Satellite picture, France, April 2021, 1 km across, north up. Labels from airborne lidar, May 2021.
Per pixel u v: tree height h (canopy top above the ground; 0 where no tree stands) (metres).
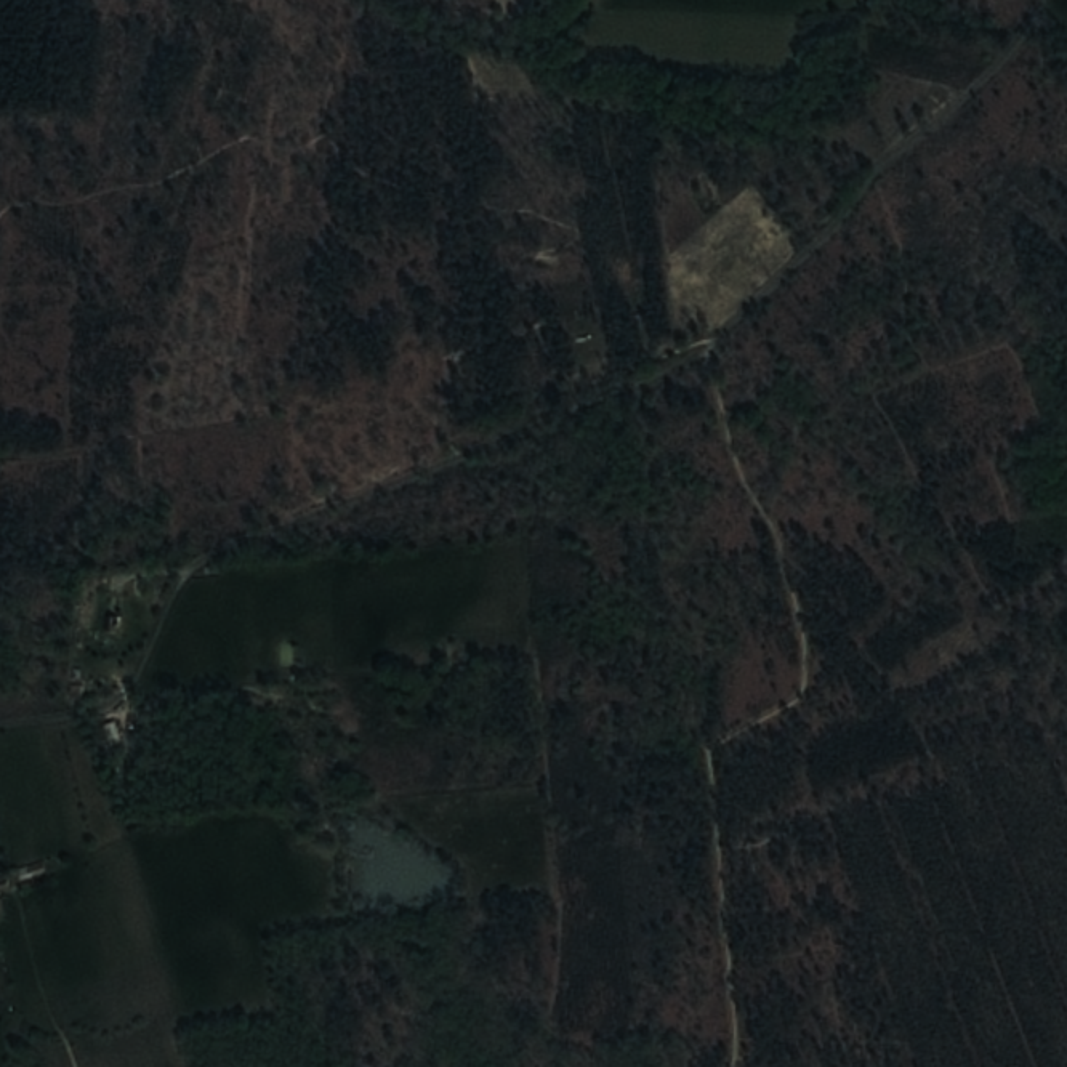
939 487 11
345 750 20
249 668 0
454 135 19
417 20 22
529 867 0
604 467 9
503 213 17
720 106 28
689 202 0
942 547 13
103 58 22
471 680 18
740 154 6
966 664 12
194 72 24
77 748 0
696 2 0
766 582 10
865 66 12
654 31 0
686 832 10
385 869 0
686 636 8
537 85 16
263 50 6
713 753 15
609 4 0
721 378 19
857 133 0
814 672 13
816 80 24
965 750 24
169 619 0
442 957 24
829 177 27
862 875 17
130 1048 0
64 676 0
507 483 12
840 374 6
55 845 0
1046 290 25
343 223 25
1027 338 7
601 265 10
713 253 0
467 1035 21
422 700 19
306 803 23
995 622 14
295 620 0
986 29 10
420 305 26
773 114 25
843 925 16
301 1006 17
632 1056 16
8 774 0
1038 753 22
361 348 25
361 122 22
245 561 20
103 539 11
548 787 16
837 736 13
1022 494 15
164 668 0
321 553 9
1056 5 0
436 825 0
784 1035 19
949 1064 16
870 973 23
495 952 24
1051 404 13
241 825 0
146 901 0
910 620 17
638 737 10
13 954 0
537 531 8
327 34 12
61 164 6
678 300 0
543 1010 11
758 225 0
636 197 14
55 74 17
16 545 18
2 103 16
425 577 0
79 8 24
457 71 22
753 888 22
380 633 0
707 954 11
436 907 14
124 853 0
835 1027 9
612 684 22
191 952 0
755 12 0
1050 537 8
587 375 10
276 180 12
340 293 25
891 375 14
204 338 0
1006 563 11
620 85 20
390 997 17
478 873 0
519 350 23
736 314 0
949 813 16
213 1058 16
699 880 25
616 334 13
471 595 0
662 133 20
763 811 15
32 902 0
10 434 16
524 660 20
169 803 21
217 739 21
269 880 0
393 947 19
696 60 0
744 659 7
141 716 20
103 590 8
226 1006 0
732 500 8
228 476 17
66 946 0
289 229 8
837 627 19
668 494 23
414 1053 10
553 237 6
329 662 0
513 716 23
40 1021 0
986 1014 17
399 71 20
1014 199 10
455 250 22
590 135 15
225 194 10
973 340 26
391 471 0
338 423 0
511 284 24
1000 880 17
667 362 10
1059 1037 16
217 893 0
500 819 0
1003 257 10
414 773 0
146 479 15
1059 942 16
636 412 21
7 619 17
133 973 0
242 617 0
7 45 17
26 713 0
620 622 15
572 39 21
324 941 17
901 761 12
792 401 14
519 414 18
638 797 12
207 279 0
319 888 0
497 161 21
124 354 7
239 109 18
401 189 26
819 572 16
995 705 21
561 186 16
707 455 6
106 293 22
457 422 20
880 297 11
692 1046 14
